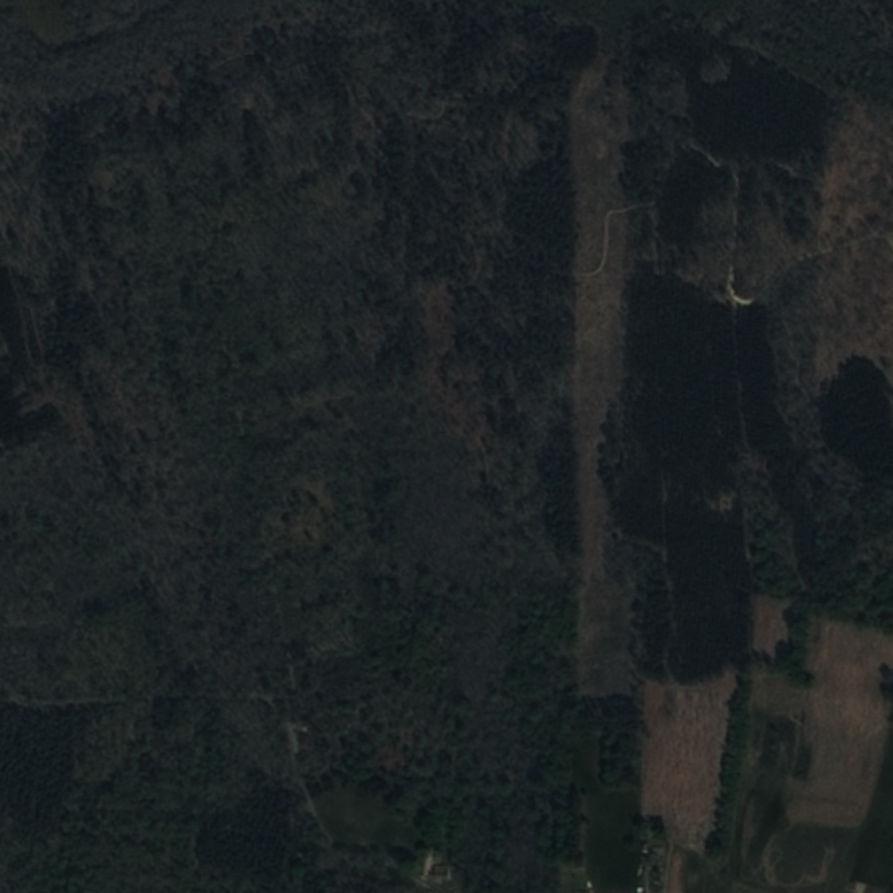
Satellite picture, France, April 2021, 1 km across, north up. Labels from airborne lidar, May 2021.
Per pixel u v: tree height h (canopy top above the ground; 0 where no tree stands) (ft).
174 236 65
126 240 56
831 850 0
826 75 35
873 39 53
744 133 31
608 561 44
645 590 46
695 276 34
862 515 43
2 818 48
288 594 35
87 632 48
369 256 38
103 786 25
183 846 52
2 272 20
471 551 31
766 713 0
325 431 49
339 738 25
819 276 47
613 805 0
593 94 0
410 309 55
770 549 48
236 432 42
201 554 33
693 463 30
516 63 21
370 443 44
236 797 52
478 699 22
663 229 36
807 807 0
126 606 50
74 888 62
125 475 37
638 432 34
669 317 39
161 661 57
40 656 45
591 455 0
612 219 0
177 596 35
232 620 35
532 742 54
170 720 52
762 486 42
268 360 51
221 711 70
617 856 0
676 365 30
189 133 59
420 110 52
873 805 0
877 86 56
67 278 63
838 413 29
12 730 54
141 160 39
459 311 38
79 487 30
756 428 36
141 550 35
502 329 52
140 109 37
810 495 30
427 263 33
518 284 49
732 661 32
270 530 45
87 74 42
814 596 30
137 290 57
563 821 57
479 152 68
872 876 0
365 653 17
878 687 0
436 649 32
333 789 52
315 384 27
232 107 36
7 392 22
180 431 31
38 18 0
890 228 35
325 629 56
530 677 65
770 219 40
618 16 40
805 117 41
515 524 38
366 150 44
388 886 43
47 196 71
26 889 68
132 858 45
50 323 45
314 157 42
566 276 47
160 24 44
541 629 53
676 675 34
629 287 34
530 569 40
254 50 25
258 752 52
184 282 31
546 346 78
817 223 48
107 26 48
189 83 78
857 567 27
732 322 37
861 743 0
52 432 40
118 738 42
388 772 37
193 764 62
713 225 37
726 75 28
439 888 0
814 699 0
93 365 45
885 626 60
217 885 51
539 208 75
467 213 54
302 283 54
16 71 28
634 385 35
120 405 28
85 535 59
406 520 50
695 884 0
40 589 48
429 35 69
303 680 24
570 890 0
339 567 54
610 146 0
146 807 49
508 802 29
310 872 22
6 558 44
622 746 54
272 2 44
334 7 46
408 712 56
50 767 58
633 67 24
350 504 45
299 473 54
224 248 44
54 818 51
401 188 73
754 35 35
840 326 43
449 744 47
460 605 38
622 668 0
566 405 45
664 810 0
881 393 39
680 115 22
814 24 39
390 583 54
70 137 51
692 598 31
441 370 28
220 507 41
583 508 75
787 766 0
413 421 55
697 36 32
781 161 33
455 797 50
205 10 40
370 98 49
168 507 35
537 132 47
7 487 33
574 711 79
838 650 0
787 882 0
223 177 58
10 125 72
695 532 31
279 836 53
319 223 52
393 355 84
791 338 53
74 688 43
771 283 50
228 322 58
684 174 34
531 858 46
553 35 61
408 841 0
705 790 0
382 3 44
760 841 0
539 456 52
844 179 0
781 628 0
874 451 28
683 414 37
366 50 53
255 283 44
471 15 69
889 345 0
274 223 53
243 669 34
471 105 59
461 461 31
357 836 0
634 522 37
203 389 54
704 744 0
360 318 51
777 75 39
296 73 55
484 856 43
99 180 60
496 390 59
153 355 53
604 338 0
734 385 35
